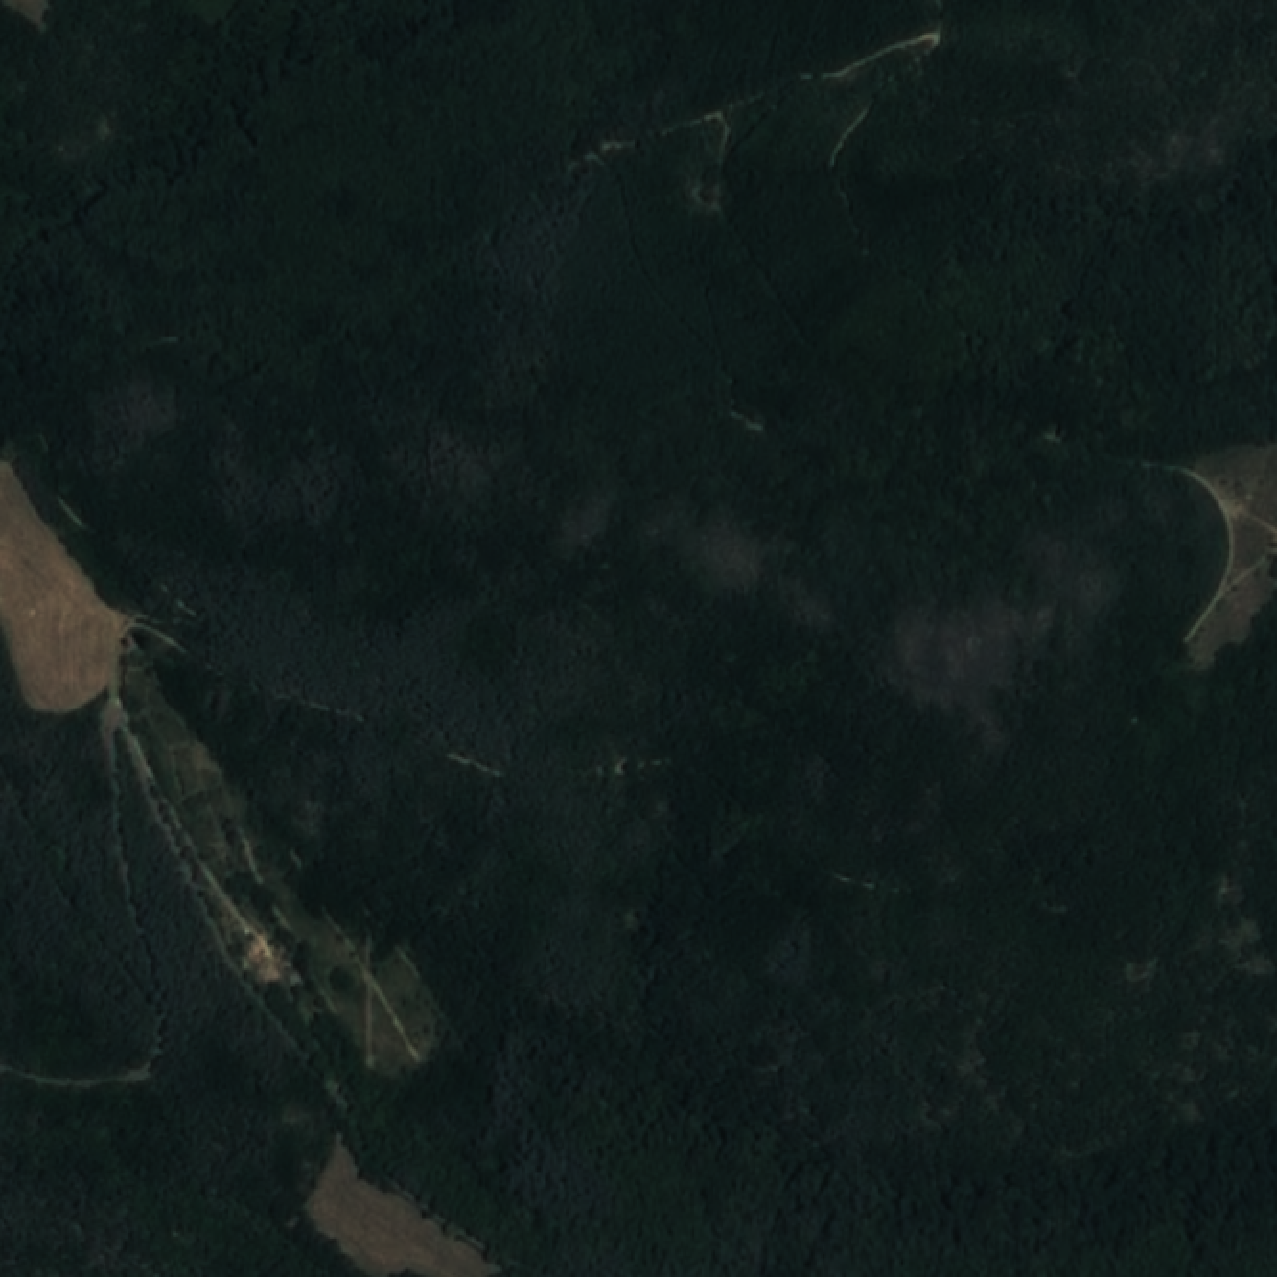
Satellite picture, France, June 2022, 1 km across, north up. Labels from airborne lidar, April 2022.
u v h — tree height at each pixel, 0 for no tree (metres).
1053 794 13
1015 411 16
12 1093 10
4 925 10
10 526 0
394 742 15
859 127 7
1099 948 17
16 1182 10
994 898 16
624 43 14
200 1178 12
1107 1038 8
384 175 16
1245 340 17
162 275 15
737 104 6
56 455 9
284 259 17
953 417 19
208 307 16
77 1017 10
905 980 10
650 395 13
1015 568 7
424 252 15
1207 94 13
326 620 17
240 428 8
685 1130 20
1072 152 10
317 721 8
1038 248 14
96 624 0
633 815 8
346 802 11
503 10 19
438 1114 12
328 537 12
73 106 7
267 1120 13
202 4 0
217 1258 9
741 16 9
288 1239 8
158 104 16
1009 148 9
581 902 16
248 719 11
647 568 11
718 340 16
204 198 14
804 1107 13
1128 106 8
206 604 20
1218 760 7
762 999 14
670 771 10
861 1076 12
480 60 18
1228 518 0
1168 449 8
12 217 15
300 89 24
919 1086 14
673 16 19
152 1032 7
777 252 8
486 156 14
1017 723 10
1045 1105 10
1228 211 19
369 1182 11
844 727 10
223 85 17
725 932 22
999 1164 15
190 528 13
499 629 9
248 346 16
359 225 16
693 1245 15
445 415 8
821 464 12
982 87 8
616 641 7
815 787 18
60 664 0
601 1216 23
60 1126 10
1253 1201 24
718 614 9
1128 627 10
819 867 11
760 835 18
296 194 17
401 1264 0
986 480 16
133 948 14
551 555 11
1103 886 17
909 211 10
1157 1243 13
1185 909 6
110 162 10
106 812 13
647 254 14
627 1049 11
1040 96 10
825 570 8
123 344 15
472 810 9
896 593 9
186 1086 17
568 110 13
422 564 9
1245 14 11
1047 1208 23
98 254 18
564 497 8
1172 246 21
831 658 14
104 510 13
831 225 10
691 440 7
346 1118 12
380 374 10
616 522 7
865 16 10
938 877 9
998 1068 13
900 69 9
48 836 18
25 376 19
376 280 18
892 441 12
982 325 15
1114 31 11
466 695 18
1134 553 7
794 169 9
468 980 16
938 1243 17
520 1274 13
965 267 15
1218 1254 14
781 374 16
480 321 11
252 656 16
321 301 18
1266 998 14
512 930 16
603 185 12
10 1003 16
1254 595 0
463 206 16
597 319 12
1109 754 12
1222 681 10
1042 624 0
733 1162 26
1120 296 16
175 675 7
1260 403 7
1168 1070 10
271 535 16
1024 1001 17
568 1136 16
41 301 16
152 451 11
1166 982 10
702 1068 10
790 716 19
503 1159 11
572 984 17
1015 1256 22
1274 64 10
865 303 9
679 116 9
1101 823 15
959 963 11
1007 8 7
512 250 12
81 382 13
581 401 8
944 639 0
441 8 18
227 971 16
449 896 14
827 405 7
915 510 12
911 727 12
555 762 15
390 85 18
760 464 9
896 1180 17
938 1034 13
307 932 0
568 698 12
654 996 25
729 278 7
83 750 13
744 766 16
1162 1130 11
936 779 7
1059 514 8
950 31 6
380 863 6
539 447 6
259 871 6
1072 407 16
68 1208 12
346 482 11
